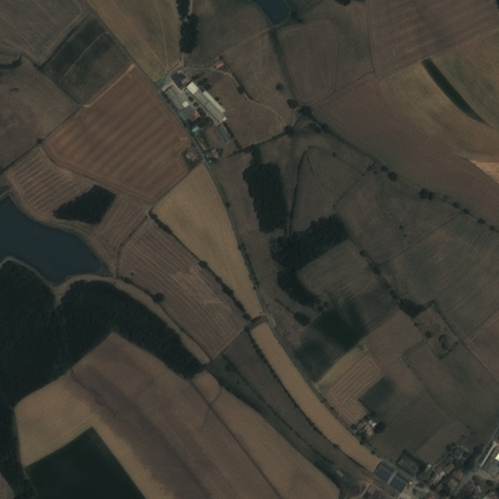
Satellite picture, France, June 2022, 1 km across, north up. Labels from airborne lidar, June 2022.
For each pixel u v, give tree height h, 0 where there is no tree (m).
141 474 0
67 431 0
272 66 0
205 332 0
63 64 0
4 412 15
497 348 0
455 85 0
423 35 0
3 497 0
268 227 19
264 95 0
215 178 0
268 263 0
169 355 15
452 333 0
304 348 0
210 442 0
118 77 0
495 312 0
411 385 0
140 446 0
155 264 0
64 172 0
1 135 0
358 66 0
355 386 0
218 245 0
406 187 0
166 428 0
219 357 0
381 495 0
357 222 0
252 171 18
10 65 6
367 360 0
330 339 0
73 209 15
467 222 0
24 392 8
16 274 7
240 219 0
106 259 0
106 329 11
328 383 0
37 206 0
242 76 0
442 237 0
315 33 0
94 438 0
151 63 0
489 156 0
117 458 0
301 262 10
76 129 0
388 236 0
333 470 0
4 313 14
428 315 0
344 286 0
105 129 0
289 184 0
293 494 0
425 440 0
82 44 0
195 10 0
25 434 0
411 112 0
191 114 0
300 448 0
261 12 0
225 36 0
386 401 0
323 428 0
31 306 9
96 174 0
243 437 0
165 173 0
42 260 0
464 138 0
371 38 0
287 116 0
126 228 0
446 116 0
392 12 0
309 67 0
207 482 0
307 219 0
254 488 0
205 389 0
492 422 0
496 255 0
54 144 0
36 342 11
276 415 6
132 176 0
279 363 0
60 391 0
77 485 0
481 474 0
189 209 0
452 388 0
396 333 0
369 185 0
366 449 0
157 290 0
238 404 0
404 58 0
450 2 0
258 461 0
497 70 0
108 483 0
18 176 0
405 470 7
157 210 0
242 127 0
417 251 0
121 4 0
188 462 0
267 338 0
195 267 0
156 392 0
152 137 0
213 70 0
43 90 0
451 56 0
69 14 0
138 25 0
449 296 0
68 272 0
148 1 0
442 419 0
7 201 0
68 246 0
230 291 11
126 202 0
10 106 0
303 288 11
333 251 0
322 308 9
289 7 0
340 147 0
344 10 0
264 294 0
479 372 0
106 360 0
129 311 13
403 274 0
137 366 0
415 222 0
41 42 0
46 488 0
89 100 0
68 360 11
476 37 0
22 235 0
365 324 0
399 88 0
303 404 0
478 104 0
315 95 0
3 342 14
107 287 16
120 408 0
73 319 11
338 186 0
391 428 0
